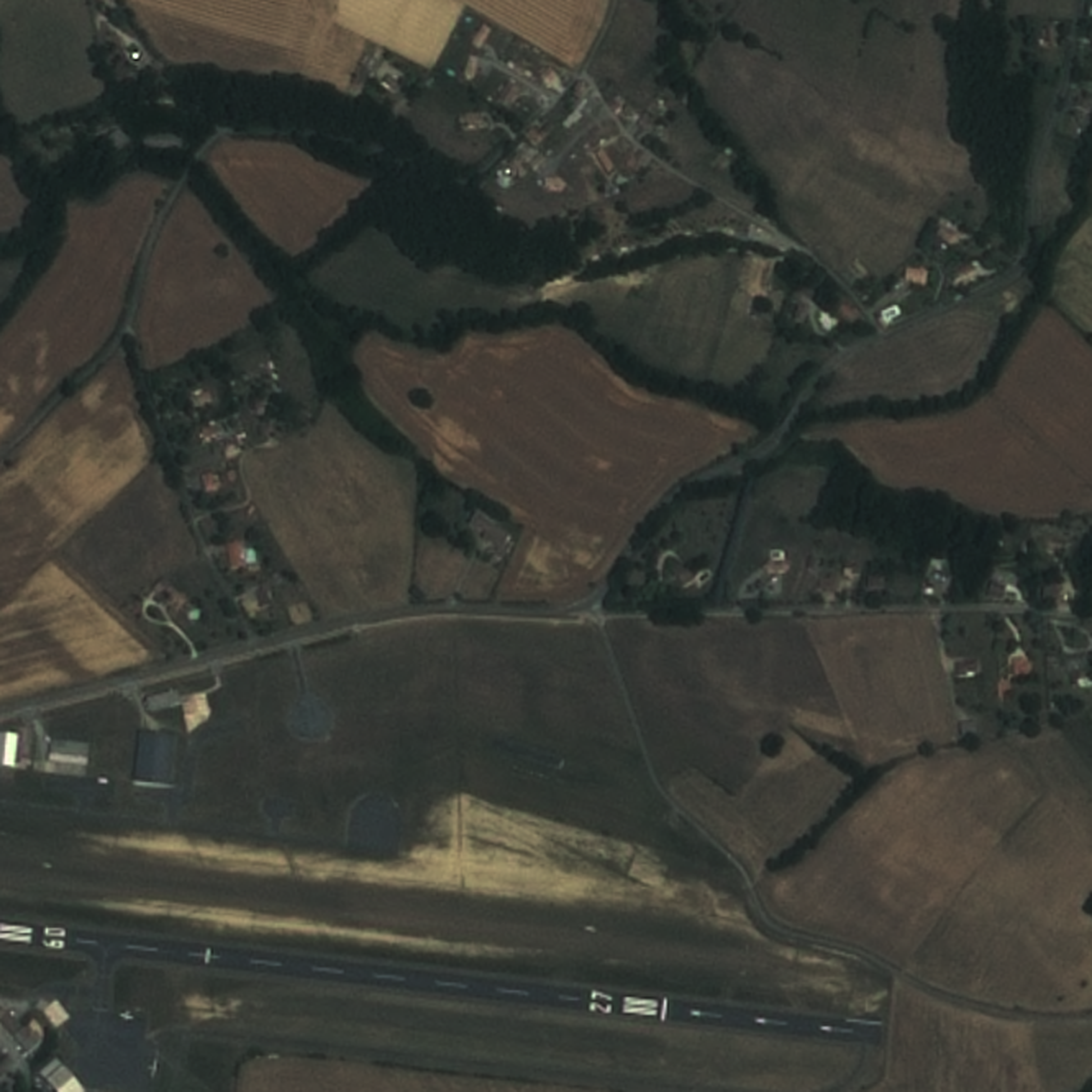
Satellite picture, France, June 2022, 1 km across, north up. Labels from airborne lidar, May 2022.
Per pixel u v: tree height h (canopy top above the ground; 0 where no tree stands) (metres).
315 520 0
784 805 0
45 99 0
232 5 0
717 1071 0
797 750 0
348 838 0
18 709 0
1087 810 0
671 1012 0
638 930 0
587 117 0
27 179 17
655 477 0
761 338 0
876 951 0
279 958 0
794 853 11
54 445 0
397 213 21
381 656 0
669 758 0
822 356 0
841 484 16
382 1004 0
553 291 0
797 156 0
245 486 0
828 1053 0
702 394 15
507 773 0
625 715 0
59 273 0
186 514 9
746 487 11
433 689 0
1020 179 17
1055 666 0
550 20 0
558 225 16
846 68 0
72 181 15
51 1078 0
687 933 0
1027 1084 0
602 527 0
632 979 0
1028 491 0
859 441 0
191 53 0
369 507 0
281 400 9
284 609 0
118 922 0
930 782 0
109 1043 0
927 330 0
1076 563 7
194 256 0
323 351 11
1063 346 0
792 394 9
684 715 0
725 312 0
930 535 18
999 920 0
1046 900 0
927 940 0
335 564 0
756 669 0
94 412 0
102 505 0
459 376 0
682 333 0
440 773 0
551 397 0
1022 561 14
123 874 0
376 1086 0
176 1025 0
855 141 0
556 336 0
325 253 13
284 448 0
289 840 0
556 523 0
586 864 0
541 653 0
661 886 0
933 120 0
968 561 18
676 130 0
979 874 0
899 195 0
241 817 0
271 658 0
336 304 8
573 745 0
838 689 0
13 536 0
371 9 0
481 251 15
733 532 11
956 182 0
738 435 0
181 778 0
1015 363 0
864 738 0
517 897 0
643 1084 0
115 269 0
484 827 0
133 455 0
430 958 0
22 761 0
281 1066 0
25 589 0
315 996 0
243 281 0
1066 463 0
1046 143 0
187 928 0
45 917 0
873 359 0
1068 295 0
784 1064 0
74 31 0
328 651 0
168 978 0
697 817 0
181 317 0
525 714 0
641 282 0
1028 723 14
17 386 0
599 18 0
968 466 0
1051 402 0
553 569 0
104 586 0
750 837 0
